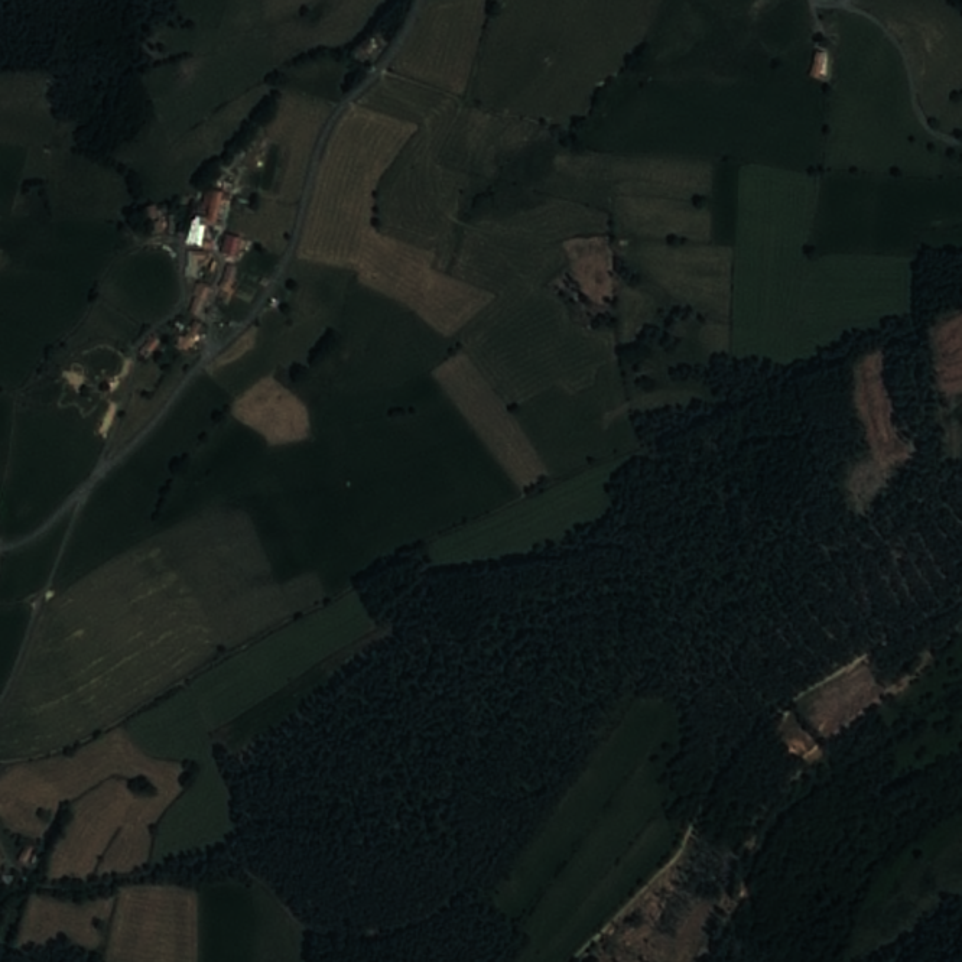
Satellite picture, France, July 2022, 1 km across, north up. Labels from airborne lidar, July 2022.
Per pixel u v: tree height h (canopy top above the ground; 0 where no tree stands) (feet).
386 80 0
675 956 0
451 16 0
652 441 42
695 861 61
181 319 24
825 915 61
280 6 0
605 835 0
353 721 53
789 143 0
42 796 0
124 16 46
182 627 0
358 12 0
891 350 70
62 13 54
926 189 0
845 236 0
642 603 75
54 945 52
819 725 0
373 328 0
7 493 0
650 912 0
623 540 47
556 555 44
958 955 83
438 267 0
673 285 0
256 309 0
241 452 0
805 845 72
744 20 0
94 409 0
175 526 0
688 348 0
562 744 65
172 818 0
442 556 0
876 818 48
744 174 0
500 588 72
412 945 70
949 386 0
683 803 42
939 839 0
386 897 61
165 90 0
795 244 0
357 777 63
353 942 67
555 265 0
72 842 0
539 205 0
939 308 40
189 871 56
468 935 80
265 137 0
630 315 0
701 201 52
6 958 63
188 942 0
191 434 0
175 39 0
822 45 60
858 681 0
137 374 0
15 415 0
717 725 57
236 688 0
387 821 47
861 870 52
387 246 0
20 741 0
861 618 68
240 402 0
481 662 72
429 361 0
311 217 0
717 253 0
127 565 0
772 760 74
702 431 85
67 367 0
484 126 0
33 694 0
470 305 0
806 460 37
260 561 0
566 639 72
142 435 0
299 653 0
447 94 0
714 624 66
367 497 0
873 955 38
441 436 0
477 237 0
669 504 64
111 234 0
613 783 0
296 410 0
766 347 0
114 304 0
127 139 41
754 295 0
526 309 0
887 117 0
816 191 0
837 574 61
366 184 0
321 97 0
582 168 0
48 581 0
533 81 0
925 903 0
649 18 0
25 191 32
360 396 0
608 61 0
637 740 0
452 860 53
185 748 0
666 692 45
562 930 0
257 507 0
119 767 0
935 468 64
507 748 65
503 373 0
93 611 0
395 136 0
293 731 74
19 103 0
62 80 54
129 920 0
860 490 0
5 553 0
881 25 0
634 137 0
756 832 50
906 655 47
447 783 64
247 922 0
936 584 72
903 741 39
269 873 62
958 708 49
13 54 56
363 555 0
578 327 0
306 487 0
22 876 25
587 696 62
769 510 64
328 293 0
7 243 0
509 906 0
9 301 0
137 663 0
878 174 0
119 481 0
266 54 0
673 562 69
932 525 66
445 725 36
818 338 0
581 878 0
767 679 69
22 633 0
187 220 23
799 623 57
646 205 0
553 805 52
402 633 65
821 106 0
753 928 56
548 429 0
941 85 0
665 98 0
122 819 0
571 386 0
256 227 0
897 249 0
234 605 0
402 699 51
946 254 45
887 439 0
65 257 0
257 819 30
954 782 47
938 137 0
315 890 60
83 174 0
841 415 64
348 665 0
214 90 0
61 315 0
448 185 0
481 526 0
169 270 0
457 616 67
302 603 0
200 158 0
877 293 0
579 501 0
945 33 0
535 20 0
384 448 0
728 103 0
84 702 0
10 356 0
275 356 0
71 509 0
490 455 0
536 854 0
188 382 0
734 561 63
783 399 63
